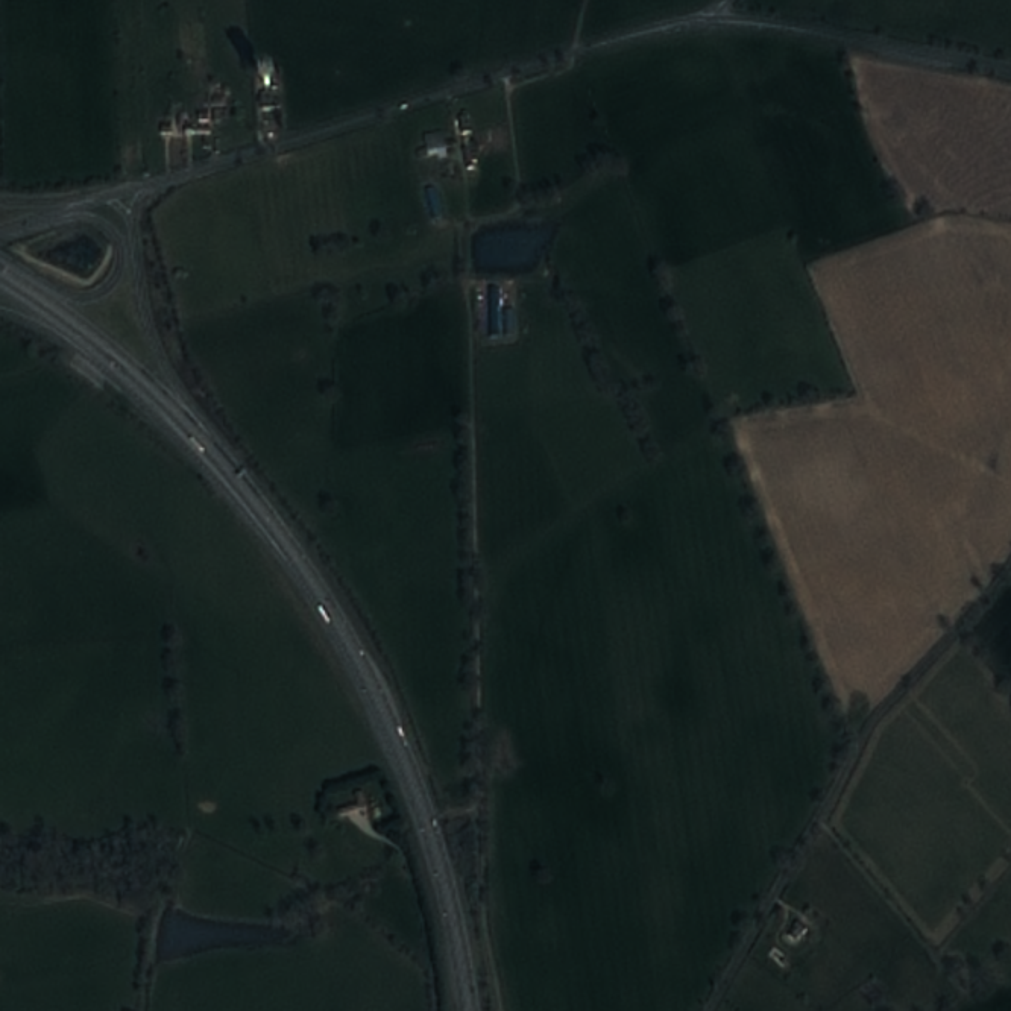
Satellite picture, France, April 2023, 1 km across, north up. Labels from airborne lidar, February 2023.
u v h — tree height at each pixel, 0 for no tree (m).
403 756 0
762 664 0
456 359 0
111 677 0
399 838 10
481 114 0
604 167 24
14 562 0
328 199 0
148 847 11
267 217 0
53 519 0
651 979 0
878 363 0
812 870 0
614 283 0
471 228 13
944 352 0
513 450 0
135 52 0
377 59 0
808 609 0
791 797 0
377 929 11
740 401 0
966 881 0
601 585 0
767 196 0
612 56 0
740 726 0
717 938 0
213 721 0
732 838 0
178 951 0
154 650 0
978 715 0
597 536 0
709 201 0
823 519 0
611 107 0
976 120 0
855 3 0
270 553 0
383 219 0
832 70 0
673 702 0
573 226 0
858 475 0
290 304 0
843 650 0
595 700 0
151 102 0
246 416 0
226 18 0
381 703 0
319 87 0
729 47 0
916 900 0
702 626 0
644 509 0
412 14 0
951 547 0
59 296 0
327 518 10
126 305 0
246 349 0
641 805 0
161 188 0
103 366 0
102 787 0
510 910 0
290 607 0
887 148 0
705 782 0
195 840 0
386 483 0
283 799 0
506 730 0
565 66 17
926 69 0
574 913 0
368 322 0
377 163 0
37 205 0
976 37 0
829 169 0
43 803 0
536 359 0
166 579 0
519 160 0
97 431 0
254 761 0
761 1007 0
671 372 0
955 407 0
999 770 0
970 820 0
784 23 0
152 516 0
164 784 0
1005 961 19
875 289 0
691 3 0
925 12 0
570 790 0
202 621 0
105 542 0
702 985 0
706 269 0
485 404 0
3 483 0
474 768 19
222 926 0
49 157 0
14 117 0
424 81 0
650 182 0
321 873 0
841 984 0
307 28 0
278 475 0
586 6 0
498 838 0
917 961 0
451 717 0
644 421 16
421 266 0
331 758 0
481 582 19
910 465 0
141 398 0
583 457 0
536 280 0
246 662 0
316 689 0
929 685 0
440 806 9
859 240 0
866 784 0
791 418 0
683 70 0
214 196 0
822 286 0
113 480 0
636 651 0
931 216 18
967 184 0
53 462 0
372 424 0
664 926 0
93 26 0
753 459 0
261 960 0
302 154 0
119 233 0
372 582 0
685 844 0
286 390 0
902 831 0
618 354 0
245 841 0
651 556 0
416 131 0
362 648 0
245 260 0
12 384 0
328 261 18
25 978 0
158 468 0
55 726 0
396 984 0
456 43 0
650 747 0
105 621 0
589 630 0
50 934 0
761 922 14
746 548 0
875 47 0
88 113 0
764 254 0
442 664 0
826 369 0
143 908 21
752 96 0
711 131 0
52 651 0
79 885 18
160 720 0
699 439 0
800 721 0
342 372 0
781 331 0
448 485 0
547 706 0
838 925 0
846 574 0
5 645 0
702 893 0
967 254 0
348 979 0
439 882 0
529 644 0
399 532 0
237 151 0
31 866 21
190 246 0
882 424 0
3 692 0
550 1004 0
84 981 0
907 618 0
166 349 0
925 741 0
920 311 0
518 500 0
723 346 0
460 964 0
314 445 0
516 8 0
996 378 0
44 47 0
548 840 0
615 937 0
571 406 0
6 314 0
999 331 0
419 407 0
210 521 0
